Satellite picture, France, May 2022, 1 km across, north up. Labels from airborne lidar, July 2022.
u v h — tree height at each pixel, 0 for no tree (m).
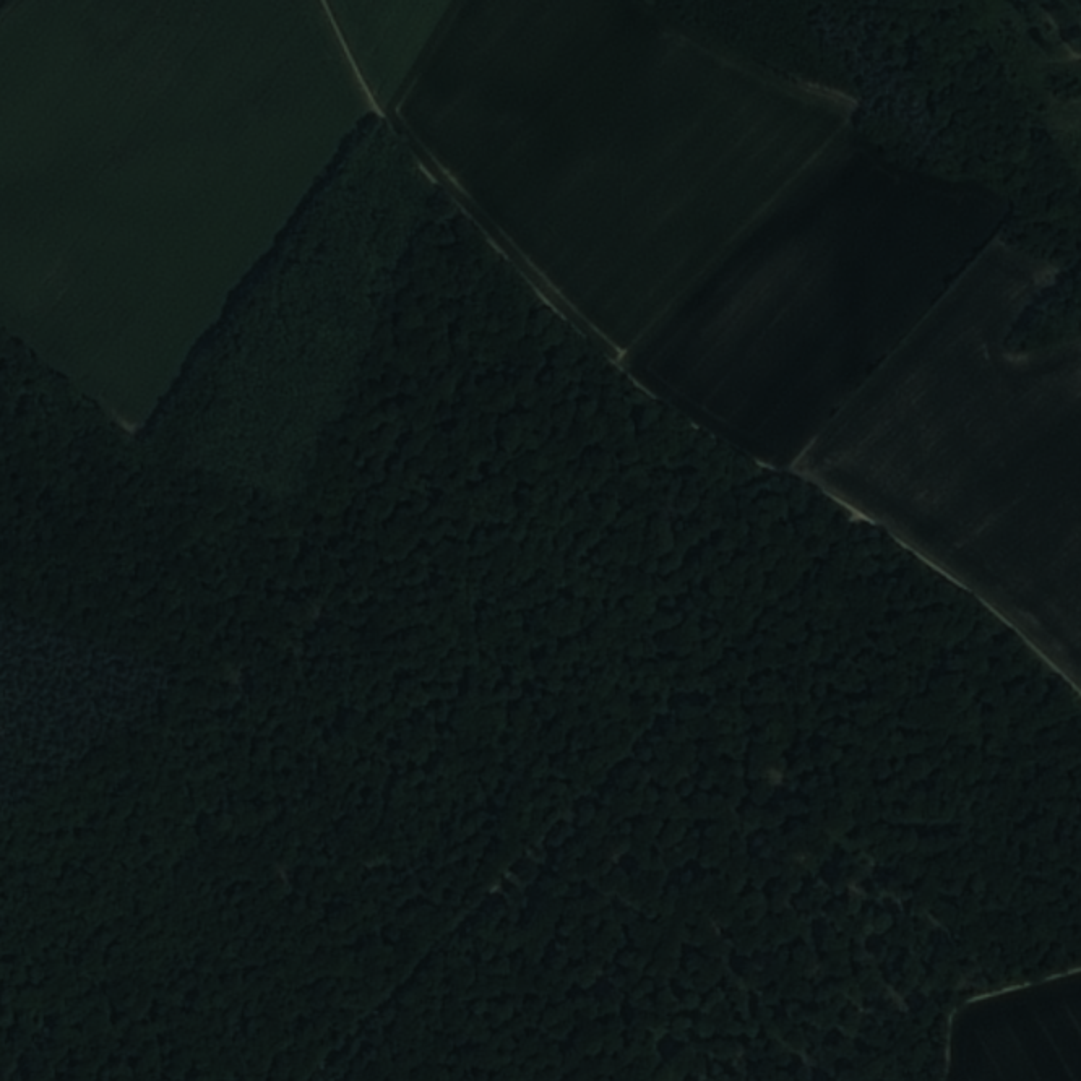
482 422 31
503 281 25
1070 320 25
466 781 20
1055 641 0
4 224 0
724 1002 27
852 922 24
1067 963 22
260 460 24
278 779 28
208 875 20
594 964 29
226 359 25
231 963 19
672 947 31
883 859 18
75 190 0
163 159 0
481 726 26
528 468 26
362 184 20
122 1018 28
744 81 0
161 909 19
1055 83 13
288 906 25
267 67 0
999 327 0
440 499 27
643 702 28
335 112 0
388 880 16
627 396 30
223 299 0
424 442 28
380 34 0
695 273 0
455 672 16
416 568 29
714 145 0
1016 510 0
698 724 30
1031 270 0
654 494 22
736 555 27
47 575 20
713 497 24
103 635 21
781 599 26
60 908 18
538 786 14
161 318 0
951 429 0
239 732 17
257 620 26
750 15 20
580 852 25
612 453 18
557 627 23
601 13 0
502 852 26
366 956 23
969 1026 0
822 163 0
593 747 26
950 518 0
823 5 18
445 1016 29
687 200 0
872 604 32
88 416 20
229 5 0
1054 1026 0
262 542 25
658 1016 26
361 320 28
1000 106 28
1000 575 0
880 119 23
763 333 0
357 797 19
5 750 24
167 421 17
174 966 16
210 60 0
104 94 0
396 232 20
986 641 26
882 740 25
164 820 21
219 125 0
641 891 32
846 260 0
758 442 0
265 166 0
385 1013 26
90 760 26
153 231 0
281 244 17
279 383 29
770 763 28
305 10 0
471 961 14
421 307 32
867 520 0
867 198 0
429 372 24
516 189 0
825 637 28
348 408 26
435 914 25
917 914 26
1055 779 28
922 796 30
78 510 24
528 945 29
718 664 21
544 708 27
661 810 30
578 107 0
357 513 23
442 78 0
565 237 0
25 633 30
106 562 20
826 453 0
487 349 22
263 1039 24
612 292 0
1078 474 0
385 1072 28
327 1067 8
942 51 24
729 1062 7
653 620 25
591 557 22
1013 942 26
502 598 21
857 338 0
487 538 21
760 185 0
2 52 0
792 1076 27
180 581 25
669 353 0
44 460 26
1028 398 0
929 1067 25
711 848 32
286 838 24
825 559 26
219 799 18
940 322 0
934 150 26
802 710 25
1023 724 24
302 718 23
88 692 29
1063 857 29
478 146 0
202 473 26
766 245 0
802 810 25
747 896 34
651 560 27
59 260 0
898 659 30
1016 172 28
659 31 0
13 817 20
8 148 0
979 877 30
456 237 22
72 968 21
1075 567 0
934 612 30
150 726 20
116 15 0
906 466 0
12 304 0
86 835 28
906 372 0
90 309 0
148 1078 21
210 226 0
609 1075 25
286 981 22
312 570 27
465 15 0
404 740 28
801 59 19
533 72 0
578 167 0
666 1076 29
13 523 18
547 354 13
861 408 0
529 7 0
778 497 26
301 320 30
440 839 23
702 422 0
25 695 27
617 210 0
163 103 0
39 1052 27
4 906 18
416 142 0
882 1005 26
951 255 0
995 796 27
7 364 19
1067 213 25
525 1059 30
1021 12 22
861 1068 32
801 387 0
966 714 30
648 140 0
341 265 30
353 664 14
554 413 31
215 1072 21
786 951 27
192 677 12
